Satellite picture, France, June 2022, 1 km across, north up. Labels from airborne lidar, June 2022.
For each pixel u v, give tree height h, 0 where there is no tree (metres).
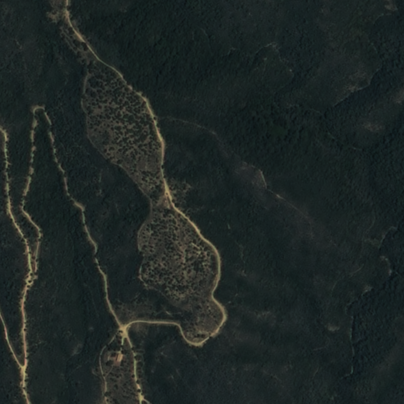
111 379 7
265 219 6
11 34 7
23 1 5
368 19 13
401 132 12
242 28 10
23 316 0
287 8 6
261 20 7
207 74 10
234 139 8
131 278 12
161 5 9
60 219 9
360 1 9
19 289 7
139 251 7
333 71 7
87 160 9
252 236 8
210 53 13
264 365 7
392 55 7
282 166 10
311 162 5
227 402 9
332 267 11
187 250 7
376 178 14
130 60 11
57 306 6
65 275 10
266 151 7
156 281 7
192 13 11
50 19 9
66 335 6
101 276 8
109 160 8
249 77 6
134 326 0
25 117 8
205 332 0
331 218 8
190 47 13
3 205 7
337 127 15
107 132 7
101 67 6
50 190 6
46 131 11
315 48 6
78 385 12
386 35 6
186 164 10
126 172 7
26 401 0
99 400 0
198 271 6
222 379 8
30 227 13
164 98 6
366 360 15
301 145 8
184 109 5
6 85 7
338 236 6
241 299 8
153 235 7
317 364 6
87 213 9
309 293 6
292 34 7
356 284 7
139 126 7
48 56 7
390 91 10
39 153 15
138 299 7
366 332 14
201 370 7
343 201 14
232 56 11
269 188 9
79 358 6
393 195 14
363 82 8
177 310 6
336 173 7
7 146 8
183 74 6
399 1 10
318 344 7
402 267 8
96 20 13
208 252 6
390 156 8
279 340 9
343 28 8
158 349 7
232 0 6
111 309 0
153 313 6
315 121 7
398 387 8
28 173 6
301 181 5
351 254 9
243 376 7
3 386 6
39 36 9
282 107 8
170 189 5
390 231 9
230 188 6
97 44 10
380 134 8
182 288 10
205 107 10
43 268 13
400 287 12
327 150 9
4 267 8
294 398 7
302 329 8
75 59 6
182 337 7
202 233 9
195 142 6
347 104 7
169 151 8
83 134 7
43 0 10
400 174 13
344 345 6
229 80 9
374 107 7
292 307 7
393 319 7
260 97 11
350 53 9
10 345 0
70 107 6
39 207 9
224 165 7
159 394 11
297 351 7
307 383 6
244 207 10
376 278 6
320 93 6
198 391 7
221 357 6
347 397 9
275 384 7
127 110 6
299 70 6
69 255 6
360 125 6
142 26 7
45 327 6
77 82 7
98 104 7
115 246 6
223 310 0
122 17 15
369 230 7
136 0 6
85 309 5
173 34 10
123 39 8
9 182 9
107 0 7
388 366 8
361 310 8
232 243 6
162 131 7
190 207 11
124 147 5
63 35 12
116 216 9
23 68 7
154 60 14
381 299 6
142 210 7
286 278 7
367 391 8
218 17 9
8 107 11
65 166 13
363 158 14
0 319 0
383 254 11
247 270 10
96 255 9
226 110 15
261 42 6
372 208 14
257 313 7
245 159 8
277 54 9
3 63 7
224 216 6
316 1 10
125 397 6
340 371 11
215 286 0
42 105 13
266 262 5
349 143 11
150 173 8
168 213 9
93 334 6
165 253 7
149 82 14
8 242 6
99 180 6
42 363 10
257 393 6
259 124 14
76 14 8
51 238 10
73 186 7
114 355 9
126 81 7
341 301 16
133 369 0
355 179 11
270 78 7
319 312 8
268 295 6
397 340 9
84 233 8
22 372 0
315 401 10
